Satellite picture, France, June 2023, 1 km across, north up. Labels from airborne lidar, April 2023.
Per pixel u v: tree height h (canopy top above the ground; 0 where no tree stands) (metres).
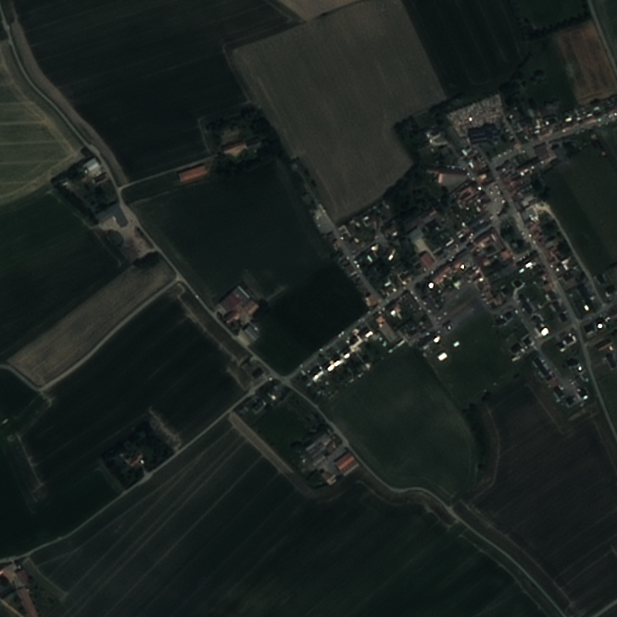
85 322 0
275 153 15
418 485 0
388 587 0
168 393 0
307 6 0
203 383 0
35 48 0
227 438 0
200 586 0
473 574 0
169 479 0
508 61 0
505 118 0
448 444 0
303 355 0
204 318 0
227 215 0
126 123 0
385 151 0
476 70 0
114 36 0
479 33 0
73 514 0
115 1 0
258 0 0
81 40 0
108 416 0
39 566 0
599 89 0
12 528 0
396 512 0
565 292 0
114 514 0
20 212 0
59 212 0
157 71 0
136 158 0
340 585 0
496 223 0
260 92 0
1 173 0
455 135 0
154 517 0
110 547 0
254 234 0
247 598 0
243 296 0
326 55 0
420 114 0
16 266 0
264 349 0
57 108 0
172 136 0
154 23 0
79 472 0
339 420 0
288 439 0
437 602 0
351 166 0
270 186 0
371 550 0
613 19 0
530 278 0
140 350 0
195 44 0
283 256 0
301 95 0
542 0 0
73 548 0
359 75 0
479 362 0
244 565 0
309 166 0
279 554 0
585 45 0
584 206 0
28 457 0
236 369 0
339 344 0
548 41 0
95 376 0
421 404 0
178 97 0
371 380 0
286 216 0
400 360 0
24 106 0
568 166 0
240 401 0
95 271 0
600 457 0
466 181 0
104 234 0
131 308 0
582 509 0
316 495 0
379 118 0
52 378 0
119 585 0
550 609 0
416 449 0
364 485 0
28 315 0
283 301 0
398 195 8
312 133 0
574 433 0
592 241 0
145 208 0
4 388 0
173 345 0
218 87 0
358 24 0
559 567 0
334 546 0
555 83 0
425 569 0
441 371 0
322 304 0
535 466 0
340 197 0
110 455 13
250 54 0
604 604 0
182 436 0
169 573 0
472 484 0
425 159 0
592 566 0
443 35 0
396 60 0
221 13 0
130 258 0
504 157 0
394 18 0
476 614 0
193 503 0
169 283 0
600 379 0
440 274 0
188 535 0
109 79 0
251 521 0
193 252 0
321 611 0
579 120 0
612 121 0
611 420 0
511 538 0
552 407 0
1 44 0
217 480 0
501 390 0
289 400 0
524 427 0
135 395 0
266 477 0
